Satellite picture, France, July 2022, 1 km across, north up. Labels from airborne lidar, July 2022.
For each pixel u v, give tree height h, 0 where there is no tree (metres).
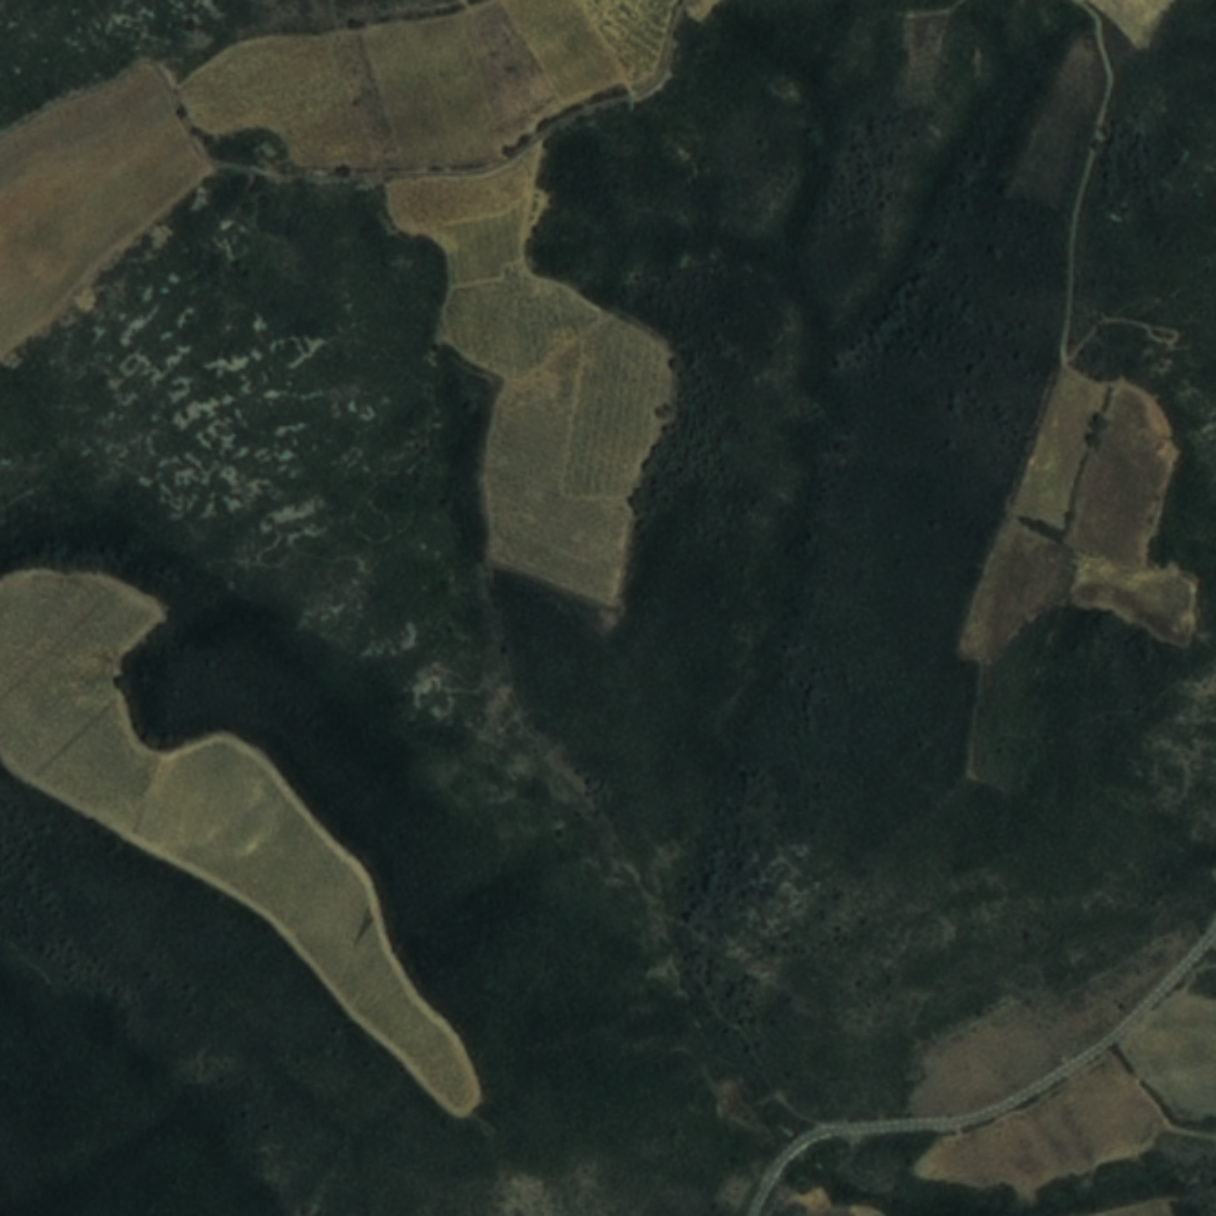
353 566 0
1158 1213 0
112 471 0
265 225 6
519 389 0
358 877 0
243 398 0
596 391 0
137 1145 6
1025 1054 0
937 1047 0
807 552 7
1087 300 0
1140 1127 0
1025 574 0
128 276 0
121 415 0
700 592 5
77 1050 5
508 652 9
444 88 0
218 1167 6
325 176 0
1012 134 5
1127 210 8
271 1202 5
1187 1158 0
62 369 0
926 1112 0
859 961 0
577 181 10
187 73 0
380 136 0
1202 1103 0
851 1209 0
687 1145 7
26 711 0
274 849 0
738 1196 0
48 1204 6
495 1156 0
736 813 8
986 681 0
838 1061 0
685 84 6
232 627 6
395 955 6
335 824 5
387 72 0
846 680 8
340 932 0
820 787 7
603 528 0
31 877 10
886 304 10
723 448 17
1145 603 0
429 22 0
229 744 0
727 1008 6
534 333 0
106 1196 5
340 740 6
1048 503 0
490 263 0
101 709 0
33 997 6
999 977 0
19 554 7
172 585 7
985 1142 0
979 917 0
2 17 0
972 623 0
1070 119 0
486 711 0
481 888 7
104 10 0
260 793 0
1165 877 11
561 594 0
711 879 14
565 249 6
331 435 0
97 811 0
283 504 0
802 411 7
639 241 6
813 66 6
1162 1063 0
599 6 0
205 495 0
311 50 0
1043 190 0
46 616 0
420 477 10
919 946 0
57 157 0
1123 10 0
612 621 0
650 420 0
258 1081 6
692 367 9
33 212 0
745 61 6
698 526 10
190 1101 6
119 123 0
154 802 0
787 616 7
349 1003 0
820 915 6
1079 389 0
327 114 0
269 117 0
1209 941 0
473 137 0
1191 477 5
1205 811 0
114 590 0
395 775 6
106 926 8
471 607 6
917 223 8
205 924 6
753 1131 0
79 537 7
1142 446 0
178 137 0
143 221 0
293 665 5
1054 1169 0
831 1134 0
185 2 0
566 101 0
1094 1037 0
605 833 0
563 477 0
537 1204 0
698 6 0
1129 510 0
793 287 7
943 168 6
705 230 7
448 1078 0
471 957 5
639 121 6
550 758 0
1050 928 7
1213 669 0
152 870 6
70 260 0
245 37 0
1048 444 0
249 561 0
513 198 0
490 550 0
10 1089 5
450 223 0
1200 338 0
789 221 6
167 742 10
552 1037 6
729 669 7
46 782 0
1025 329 10
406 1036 0
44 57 0
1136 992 0
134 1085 8
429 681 0
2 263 0
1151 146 7
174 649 6
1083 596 0
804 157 6
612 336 0
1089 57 0
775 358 11
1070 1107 0
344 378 0
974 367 11
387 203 0
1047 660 7
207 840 0
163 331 0
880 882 0
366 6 0
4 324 0
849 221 7
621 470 0
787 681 9
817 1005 0
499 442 0
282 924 0
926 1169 0
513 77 0
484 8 0
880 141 11
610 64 0
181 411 0
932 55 0
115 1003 8
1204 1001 0
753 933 0
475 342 0
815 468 8
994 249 11
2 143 0
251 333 0
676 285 6
